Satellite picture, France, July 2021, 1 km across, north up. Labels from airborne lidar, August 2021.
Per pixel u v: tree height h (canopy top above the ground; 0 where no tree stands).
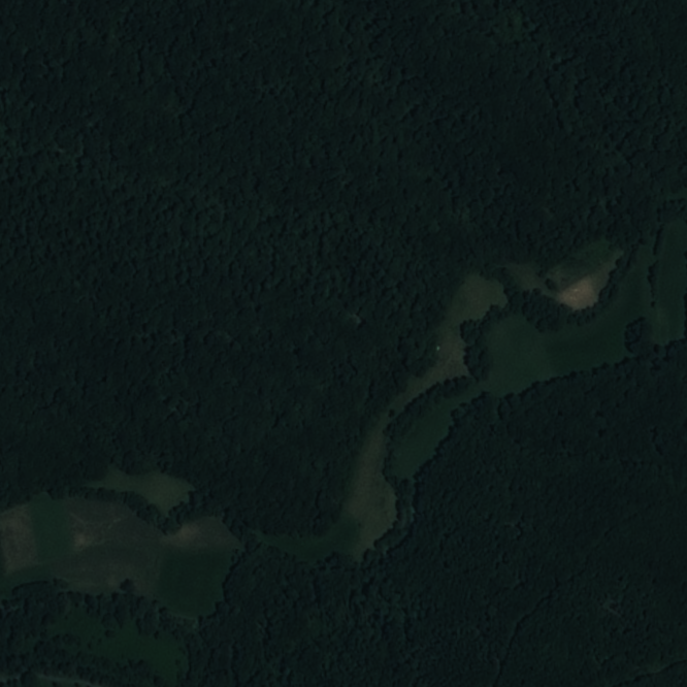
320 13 30
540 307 30
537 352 0
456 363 0
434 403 6
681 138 28
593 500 24
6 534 0
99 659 9
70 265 20
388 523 0
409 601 28
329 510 28
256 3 27
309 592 25
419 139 33
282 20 29
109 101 27
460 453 26
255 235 27
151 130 25
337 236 18
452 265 22
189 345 33
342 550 0
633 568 21
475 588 27
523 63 29
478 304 0
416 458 0
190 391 28
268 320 30
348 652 14
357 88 28
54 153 6
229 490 23
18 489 33
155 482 0
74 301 23
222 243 24
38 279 22
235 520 15
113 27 14
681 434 35
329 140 27
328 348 32
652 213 26
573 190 29
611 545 21
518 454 27
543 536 31
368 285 27
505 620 22
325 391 25
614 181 31
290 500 19
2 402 26
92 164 21
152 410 33
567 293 0
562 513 24
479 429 23
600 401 34
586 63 25
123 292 24
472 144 23
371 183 26
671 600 25
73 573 0
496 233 20
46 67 6
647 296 0
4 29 31
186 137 27
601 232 24
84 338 33
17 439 27
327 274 26
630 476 30
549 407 31
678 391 38
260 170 26
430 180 8
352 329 31
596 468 27
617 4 23
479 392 0
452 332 0
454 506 27
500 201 25
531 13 29
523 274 0
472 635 24
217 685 23
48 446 22
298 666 30
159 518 14
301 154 22
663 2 24
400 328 27
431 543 20
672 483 33
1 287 28
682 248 0
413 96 29
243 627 26
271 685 17
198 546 0
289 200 18
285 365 33
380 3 26
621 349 0
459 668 27
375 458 0
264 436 28
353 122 29
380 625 27
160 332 36
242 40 21
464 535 31
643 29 22
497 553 26
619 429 35
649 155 28
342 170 27
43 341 30
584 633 26
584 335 0
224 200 11
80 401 22
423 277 27
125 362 30
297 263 27
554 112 29
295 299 19
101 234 26
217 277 22
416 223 29
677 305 0
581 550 25
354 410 26
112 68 24
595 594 24
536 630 23
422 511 21
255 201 24
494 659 27
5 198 16
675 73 21
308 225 29
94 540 0
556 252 25
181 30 28
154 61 26
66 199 22
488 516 27
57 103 26
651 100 27
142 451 30
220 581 0
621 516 23
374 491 0
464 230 20
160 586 0
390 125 30
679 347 23
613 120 27
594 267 0
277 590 29
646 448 31
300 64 29
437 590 24
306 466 25
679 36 23
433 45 21
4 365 31
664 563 24
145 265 30
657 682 17
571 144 28
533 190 20
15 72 24
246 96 27
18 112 20
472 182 22
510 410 25
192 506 18
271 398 33
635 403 35
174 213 29
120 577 0
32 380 31
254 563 21
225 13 21
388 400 27
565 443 32
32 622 15
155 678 7
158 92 28
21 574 0
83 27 30
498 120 27
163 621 13
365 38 34
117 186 27
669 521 22
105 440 22
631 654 26
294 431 29
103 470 25
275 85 22
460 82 26
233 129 30
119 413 22
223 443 30
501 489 28
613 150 30
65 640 11
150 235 13
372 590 25
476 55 26
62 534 0
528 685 25
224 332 28
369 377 25
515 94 26
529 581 31
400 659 29
